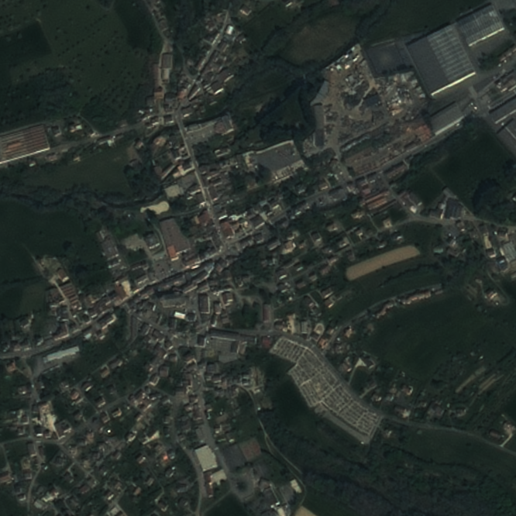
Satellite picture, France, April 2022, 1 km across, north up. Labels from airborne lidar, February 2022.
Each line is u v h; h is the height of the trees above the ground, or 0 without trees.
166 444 0
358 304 0
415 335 0
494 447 0
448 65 0
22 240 0
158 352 0
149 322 0
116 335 7
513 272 0
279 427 11
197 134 0
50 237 0
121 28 0
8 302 0
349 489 30
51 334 0
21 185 7
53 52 0
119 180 0
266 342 0
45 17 0
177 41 15
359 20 0
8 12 0
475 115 0
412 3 0
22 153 0
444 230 14
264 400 0
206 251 0
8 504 0
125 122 0
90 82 0
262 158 0
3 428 0
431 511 0
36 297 0
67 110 16
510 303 0
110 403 0
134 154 0
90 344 10
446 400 0
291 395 0
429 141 0
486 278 7
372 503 33
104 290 0
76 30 0
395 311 0
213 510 0
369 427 0
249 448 0
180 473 0
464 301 0
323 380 0
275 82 0
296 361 0
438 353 0
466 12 0
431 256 0
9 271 0
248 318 17
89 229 18
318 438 0
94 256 0
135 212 0
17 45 0
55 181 0
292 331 0
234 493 0
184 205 14
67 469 0
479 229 0
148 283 0
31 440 0
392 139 7
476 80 0
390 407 0
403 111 0
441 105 0
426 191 0
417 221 0
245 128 0
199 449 0
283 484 0
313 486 23
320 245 0
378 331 0
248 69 10
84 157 0
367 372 0
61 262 0
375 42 0
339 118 0
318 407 0
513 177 21
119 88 7
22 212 0
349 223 0
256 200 0
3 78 0
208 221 0
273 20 8
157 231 0
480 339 0
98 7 0
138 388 0
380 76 0
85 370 0
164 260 0
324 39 0
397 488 24
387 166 0
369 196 0
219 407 0
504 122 0
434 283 0
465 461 0
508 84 0
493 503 30
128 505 0
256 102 0
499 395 0
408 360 0
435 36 0
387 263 0
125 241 0
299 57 0
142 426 0
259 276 5
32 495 0
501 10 0
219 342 0
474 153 0
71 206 23
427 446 0
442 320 0
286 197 13
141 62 0
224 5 12
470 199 0
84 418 0
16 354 0
